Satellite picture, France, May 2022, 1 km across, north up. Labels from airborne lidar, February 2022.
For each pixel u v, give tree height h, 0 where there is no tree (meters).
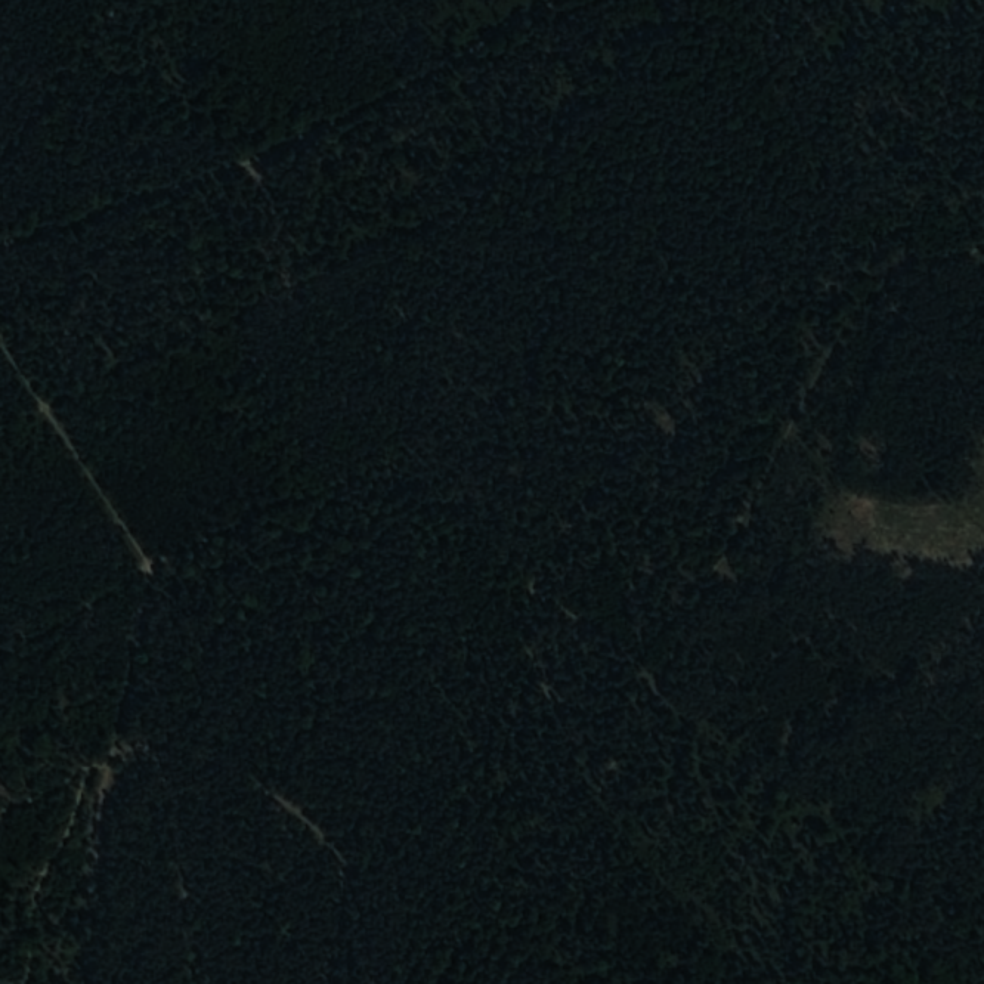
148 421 21
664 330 32
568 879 28
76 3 21
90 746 14
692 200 31
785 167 29
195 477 16
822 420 7
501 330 29
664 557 29
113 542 35
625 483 29
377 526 31
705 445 32
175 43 8
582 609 30
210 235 35
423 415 32
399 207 33
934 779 15
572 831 16
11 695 18
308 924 30
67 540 20
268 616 31
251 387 16
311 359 30
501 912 28
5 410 18
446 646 28
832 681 8
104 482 13
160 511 16
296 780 29
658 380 30
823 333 24
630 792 32
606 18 29
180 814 29
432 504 26
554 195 25
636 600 23
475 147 12
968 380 23
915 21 29
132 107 13
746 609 24
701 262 28
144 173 31
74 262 33
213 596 29
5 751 6
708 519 29
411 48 25
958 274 21
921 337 23
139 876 27
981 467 0
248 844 28
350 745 25
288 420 26
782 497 11
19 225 28
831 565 24
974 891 15
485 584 12
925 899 23
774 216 29
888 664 8
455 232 30
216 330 30
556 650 34
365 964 20
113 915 30
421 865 24
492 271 26
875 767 25
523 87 32
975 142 33
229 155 24
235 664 30
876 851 24
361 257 26
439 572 25
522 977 28
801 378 33
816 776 25
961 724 25
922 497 25
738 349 11
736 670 9
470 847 28
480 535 19
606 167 24
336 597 30
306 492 21
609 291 29
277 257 34
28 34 26
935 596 22
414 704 28
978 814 17
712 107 29
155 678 29
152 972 30
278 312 27
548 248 30
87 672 12
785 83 28
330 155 21
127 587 33
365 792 26
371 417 27
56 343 32
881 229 10
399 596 25
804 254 33
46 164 22
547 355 22
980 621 26
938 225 10
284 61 16
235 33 17
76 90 22
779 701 13
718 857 10
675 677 23
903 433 26
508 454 28
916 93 26
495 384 27
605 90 30
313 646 29
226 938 31
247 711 31
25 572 18
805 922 29
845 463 20
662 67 24
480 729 27
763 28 30
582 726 37
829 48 0
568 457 32
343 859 25
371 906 19
